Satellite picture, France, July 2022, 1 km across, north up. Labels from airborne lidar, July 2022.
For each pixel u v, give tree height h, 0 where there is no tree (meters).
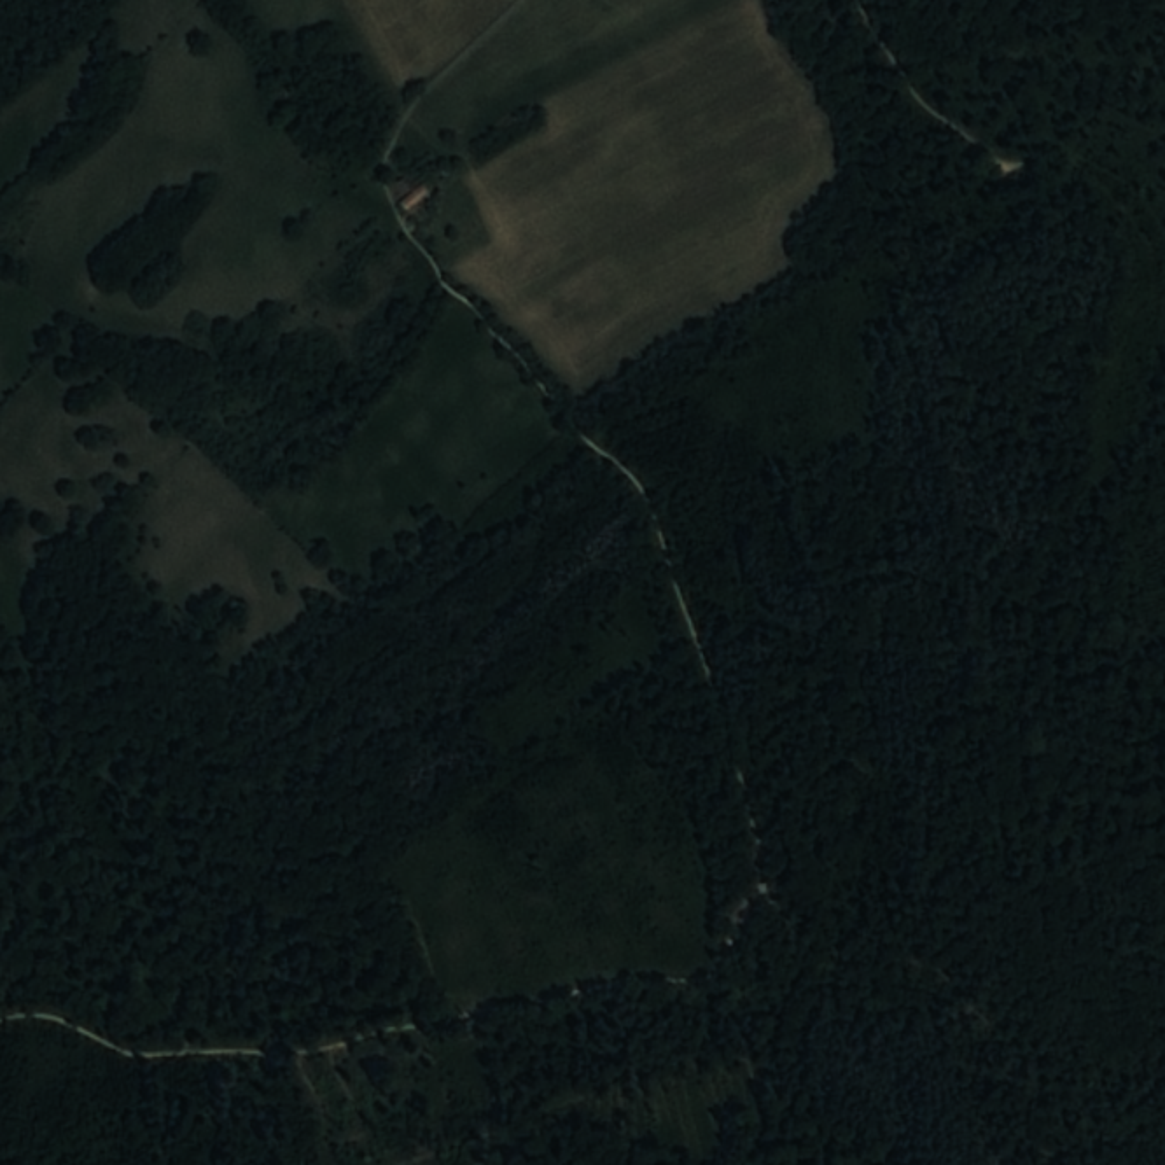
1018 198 24
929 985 7
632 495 27
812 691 21
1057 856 21
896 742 26
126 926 9
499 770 21
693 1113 0
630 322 0
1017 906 22
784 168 0
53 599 24
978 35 22
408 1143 8
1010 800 22
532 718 0
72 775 15
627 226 0
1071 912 23
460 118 0
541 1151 27
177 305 0
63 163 12
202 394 10
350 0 0
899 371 27
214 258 0
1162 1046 20
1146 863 23
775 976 24
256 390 6
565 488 8
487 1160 27
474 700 11
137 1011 30
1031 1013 20
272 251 0
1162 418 12
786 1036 28
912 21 19
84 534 13
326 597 11
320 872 19
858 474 19
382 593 14
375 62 0
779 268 0
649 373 17
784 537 8
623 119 0
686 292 0
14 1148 8
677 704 23
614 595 20
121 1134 7
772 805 7
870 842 6
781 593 23
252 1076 25
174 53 0
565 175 0
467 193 0
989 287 33
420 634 22
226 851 21
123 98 11
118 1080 10
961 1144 36
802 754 21
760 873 17
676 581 16
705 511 8
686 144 0
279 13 0
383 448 0
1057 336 29
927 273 11
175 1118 11
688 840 6
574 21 0
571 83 0
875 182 25
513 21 0
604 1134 24
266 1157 8
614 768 6
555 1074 22
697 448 6
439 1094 0
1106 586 16
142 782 30
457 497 0
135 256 16
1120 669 11
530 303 0
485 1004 0
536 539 10
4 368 0
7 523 16
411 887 0
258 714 15
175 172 0
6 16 25
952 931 22
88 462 0
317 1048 26
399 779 23
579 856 7
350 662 21
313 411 7
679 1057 27
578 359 0
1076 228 23
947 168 18
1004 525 33
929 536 28
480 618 22
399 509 0
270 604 0
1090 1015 22
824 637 17
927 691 27
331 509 0
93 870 21
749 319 19
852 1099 26
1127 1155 19
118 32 14
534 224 0
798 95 0
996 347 34
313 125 14
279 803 24
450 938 0
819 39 16
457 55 0
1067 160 23
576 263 0
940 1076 37
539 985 0
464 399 0
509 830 5
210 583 0
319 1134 7
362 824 22
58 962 23
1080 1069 14
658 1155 24
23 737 6
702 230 0
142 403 17
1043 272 33
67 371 15
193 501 0
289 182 0
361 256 6
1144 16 23
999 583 28
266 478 7
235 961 25
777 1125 23
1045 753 25
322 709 10
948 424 30
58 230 0
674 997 23
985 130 15
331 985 29
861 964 22
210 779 13
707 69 0
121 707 26
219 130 0
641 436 8
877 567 26
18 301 0
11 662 20
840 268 19
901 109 26
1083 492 29
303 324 0
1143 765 24
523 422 0
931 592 27
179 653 20
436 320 10
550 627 12
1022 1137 18
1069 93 17
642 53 0
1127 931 21
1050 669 22
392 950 24
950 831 17
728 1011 23
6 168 0
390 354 14
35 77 20
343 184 0
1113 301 23
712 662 22
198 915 22
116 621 23
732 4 0
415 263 0
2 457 0
